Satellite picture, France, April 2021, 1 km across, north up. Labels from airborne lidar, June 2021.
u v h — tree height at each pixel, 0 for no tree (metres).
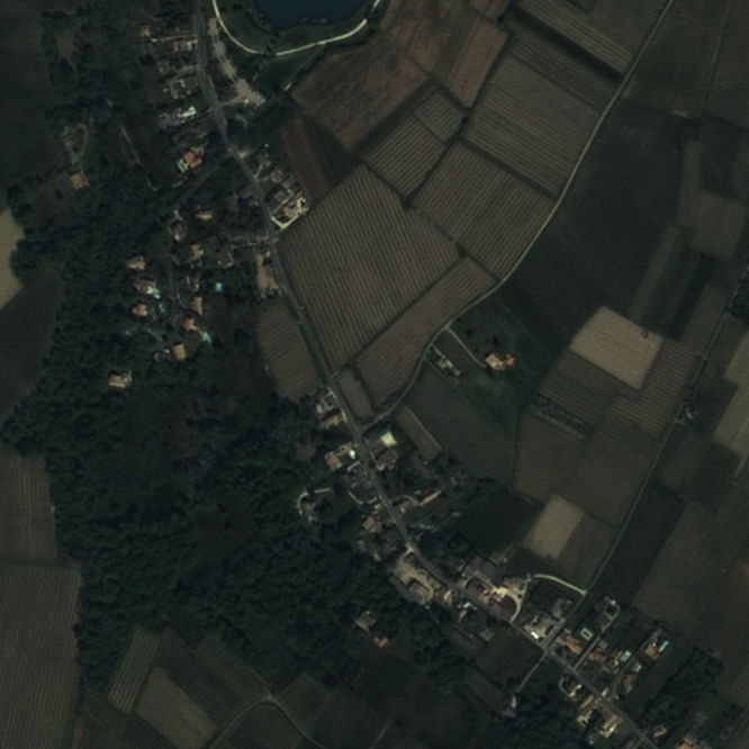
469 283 0
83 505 17
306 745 0
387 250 0
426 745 0
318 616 23
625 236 0
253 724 0
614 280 0
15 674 0
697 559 0
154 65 18
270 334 0
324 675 16
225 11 9
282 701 0
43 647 0
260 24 11
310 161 0
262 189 0
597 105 0
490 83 0
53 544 0
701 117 0
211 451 19
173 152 8
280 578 22
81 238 19
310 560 18
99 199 23
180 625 13
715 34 0
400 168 0
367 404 0
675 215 0
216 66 0
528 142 0
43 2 0
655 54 0
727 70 0
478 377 0
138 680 0
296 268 0
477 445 0
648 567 0
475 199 0
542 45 0
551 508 0
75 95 16
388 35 0
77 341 16
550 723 19
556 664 6
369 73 0
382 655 0
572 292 0
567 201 0
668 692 10
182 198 10
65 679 0
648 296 0
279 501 21
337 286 0
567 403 0
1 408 0
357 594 16
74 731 0
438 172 0
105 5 20
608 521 0
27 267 24
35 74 0
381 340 0
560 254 0
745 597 0
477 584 0
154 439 16
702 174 0
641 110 0
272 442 26
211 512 15
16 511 0
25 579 0
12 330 0
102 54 0
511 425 0
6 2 0
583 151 0
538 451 0
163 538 20
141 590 25
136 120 0
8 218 0
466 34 0
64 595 0
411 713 0
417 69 0
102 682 22
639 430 0
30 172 0
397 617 18
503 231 0
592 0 0
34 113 0
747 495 0
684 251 0
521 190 0
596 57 0
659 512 0
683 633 0
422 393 0
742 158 0
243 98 0
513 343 0
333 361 0
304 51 0
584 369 0
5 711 0
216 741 0
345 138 0
